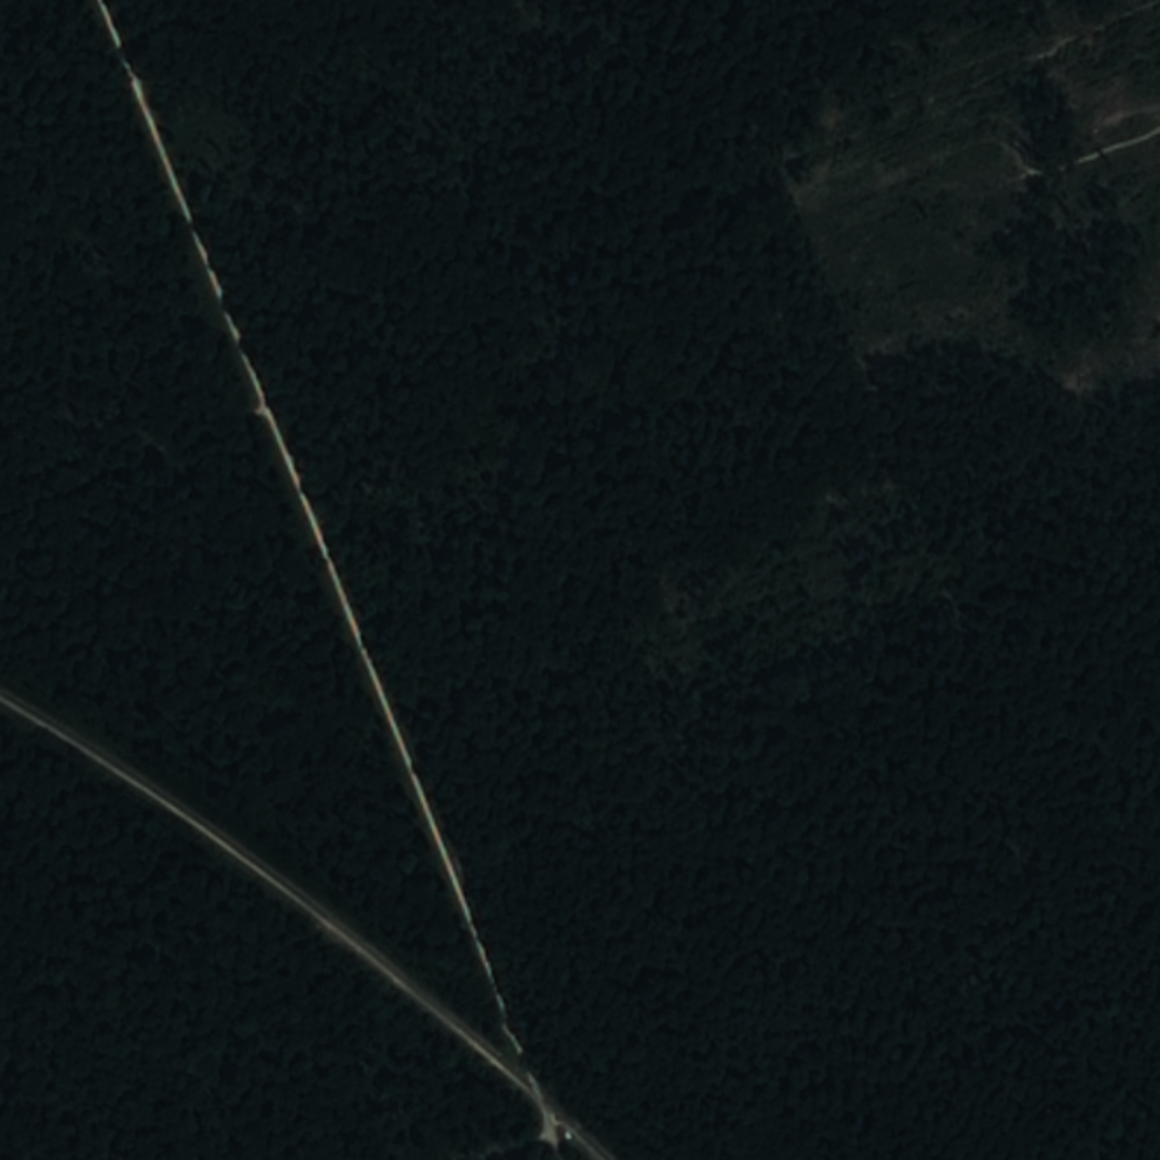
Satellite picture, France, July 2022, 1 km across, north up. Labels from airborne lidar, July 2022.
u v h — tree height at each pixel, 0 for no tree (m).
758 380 28
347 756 28
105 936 29
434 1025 6
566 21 30
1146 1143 29
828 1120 30
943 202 6
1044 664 31
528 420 31
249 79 24
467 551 31
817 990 28
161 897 30
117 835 31
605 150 28
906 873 29
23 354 27
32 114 26
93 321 29
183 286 29
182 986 26
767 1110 30
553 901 23
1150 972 25
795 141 28
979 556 27
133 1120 28
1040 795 36
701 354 29
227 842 0
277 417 20
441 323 30
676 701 26
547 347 15
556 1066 20
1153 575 30
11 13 32
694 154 31
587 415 7
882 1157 30
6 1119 26
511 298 31
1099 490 23
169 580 30
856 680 30
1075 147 28
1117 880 29
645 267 33
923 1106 29
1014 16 9
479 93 22
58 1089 23
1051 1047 30
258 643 32
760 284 29
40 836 26
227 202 26
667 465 29
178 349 31
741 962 29
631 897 32
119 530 32
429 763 25
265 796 29
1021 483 25
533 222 28
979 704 30
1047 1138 28
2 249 31
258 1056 28
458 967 27
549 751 30
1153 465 29
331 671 29
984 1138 28
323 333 35
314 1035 23
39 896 25
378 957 0
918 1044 29
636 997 26
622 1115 27
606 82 31
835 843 33
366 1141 27
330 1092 26
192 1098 23
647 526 26
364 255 28
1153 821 25
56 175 28
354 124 27
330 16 30
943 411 24
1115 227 9
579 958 27
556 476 33
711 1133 25
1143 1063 25
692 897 26
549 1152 20
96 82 26
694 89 26
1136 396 23
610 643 22
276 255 29
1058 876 26
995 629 31
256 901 26
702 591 26
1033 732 32
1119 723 30
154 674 30
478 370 30
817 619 10
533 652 23
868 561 29
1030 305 22
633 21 31
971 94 6
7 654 22
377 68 26
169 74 22
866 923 27
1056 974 29
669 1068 23
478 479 7
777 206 28
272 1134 27
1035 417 23
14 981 23
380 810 27
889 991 26
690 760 28
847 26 30
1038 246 29
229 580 29
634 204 29
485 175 29
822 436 27
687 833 23
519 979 14
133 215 29
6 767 29
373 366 27
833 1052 27
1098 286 27
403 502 6
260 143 11
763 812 22
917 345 12
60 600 28
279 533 32
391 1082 28
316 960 23
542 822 22
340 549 27
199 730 27
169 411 32
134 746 18
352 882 27
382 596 26
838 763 31
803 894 30
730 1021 24
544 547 24
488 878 24
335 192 28
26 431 25
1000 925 31
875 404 26
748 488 25
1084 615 29
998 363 23
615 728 28
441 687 28
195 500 29
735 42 32
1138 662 27
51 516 28
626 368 33
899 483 24
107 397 26
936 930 30
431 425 33
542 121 31
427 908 23
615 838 25
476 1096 29
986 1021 12
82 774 7
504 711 31
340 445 30
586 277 30
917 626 13
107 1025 21
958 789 34
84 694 24
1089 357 0
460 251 29
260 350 29
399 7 31
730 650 24
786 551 23
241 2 29
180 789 7
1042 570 13
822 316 25
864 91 27
